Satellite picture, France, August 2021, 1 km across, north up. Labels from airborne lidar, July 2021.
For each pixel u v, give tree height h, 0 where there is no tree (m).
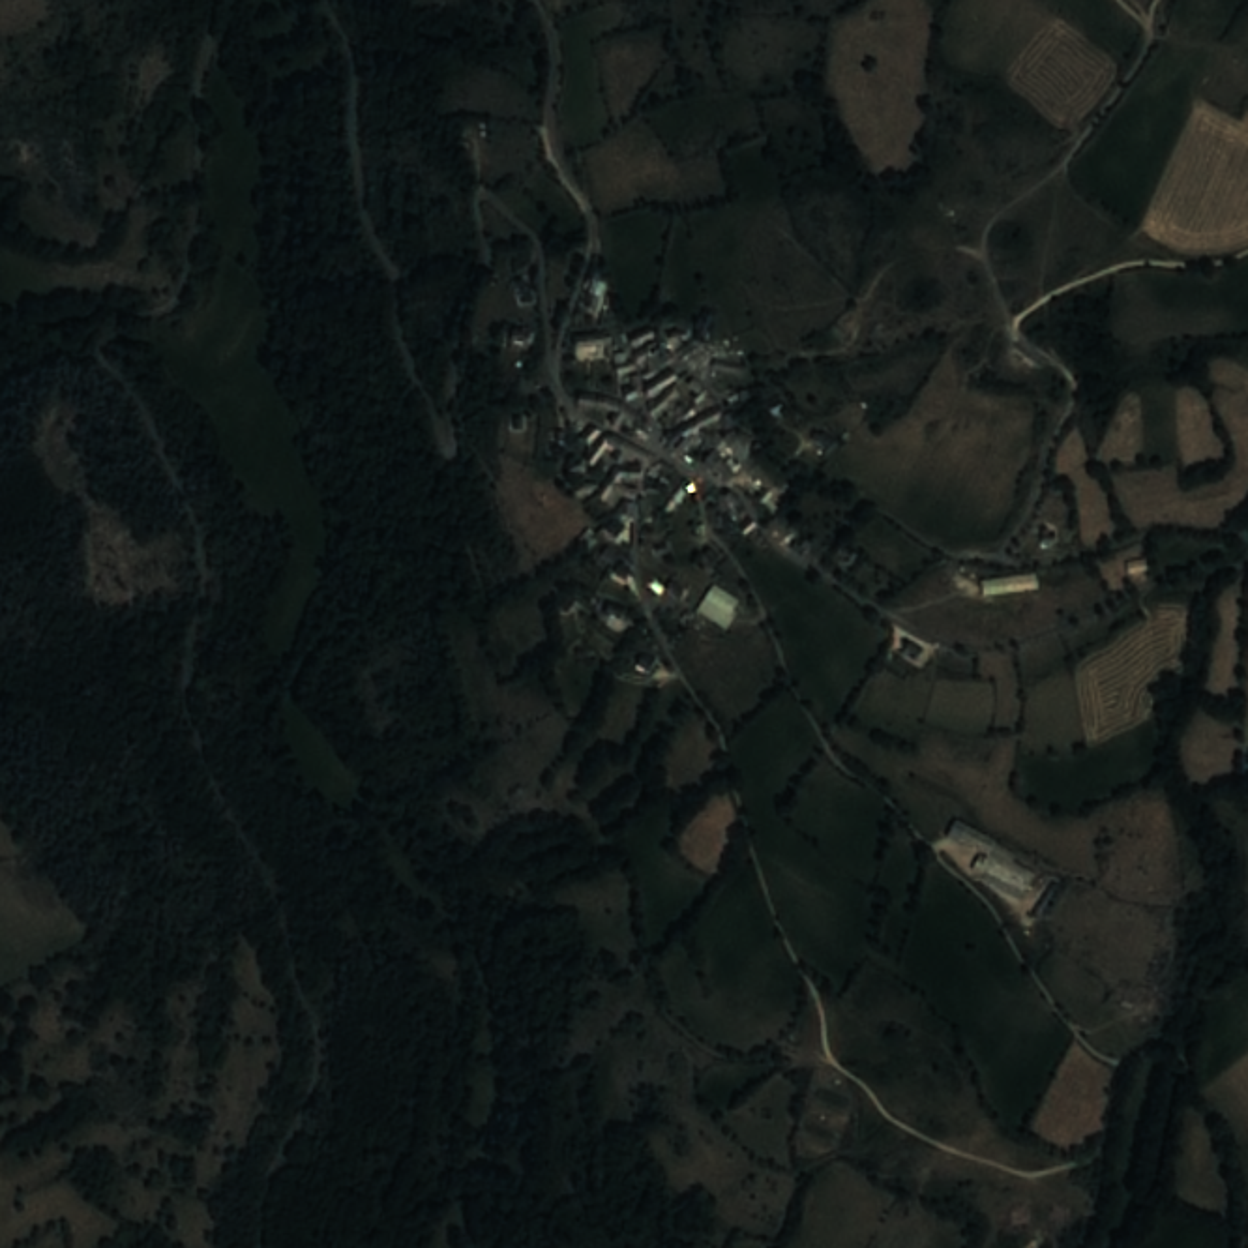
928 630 0
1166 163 0
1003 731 7
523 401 7
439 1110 7
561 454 12
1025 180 0
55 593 10
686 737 0
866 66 7
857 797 0
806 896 0
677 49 9
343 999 9
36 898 0
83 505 15
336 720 15
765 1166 8
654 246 0
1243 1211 14
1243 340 8
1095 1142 10
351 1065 13
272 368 23
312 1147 9
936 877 0
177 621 9
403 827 18
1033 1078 0
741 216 0
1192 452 0
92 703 15
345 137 8
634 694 0
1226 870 25
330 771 0
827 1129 0
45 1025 0
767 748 0
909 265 0
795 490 12
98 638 15
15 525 13
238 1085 0
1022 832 0
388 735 10
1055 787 0
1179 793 15
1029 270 0
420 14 10
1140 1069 15
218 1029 13
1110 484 11
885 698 0
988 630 0
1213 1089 0
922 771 0
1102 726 0
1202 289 0
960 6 0
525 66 0
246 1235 12
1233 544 16
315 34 18
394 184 9
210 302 0
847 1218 0
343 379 11
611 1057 0
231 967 10
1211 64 0
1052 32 0
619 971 6
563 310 12
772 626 9
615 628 0
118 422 9
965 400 0
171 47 11
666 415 6
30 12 0
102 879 14
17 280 0
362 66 14
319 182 8
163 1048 9
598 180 0
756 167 0
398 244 8
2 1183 0
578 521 0
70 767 15
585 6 8
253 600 7
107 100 9
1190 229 0
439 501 18
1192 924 7
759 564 0
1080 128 0
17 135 0
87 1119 10
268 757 20
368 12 17
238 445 0
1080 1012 0
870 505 11
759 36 0
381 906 22
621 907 0
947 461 0
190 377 0
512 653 0
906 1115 0
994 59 0
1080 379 6
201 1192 8
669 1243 16
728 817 0
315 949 13
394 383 8
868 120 0
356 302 17
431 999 8
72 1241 6
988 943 0
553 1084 11
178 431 9
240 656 14
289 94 20
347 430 16
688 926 13
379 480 10
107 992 9
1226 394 0
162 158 11
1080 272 0
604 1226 6
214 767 9
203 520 12
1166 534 12
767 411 12
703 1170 0
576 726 11
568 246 8
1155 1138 17
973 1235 7
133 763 12
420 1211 19
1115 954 0
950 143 0
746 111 0
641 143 0
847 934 0
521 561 0
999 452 0
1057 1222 0
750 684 0
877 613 11
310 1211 16
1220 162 0
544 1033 11
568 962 12
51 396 10
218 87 0
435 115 12
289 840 14
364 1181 8
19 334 21
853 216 0
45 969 7
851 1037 0
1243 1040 0
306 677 13
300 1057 10
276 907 13
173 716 9
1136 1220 18
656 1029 0
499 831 10
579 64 0
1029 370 0
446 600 17
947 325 0
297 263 11
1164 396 0
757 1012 0
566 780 0
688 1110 0
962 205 0
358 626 10
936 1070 8
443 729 6
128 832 10
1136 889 0
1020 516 0
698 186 0
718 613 0
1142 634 0
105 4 7
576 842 19
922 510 0
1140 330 0
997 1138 0
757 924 0
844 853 0
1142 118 0
